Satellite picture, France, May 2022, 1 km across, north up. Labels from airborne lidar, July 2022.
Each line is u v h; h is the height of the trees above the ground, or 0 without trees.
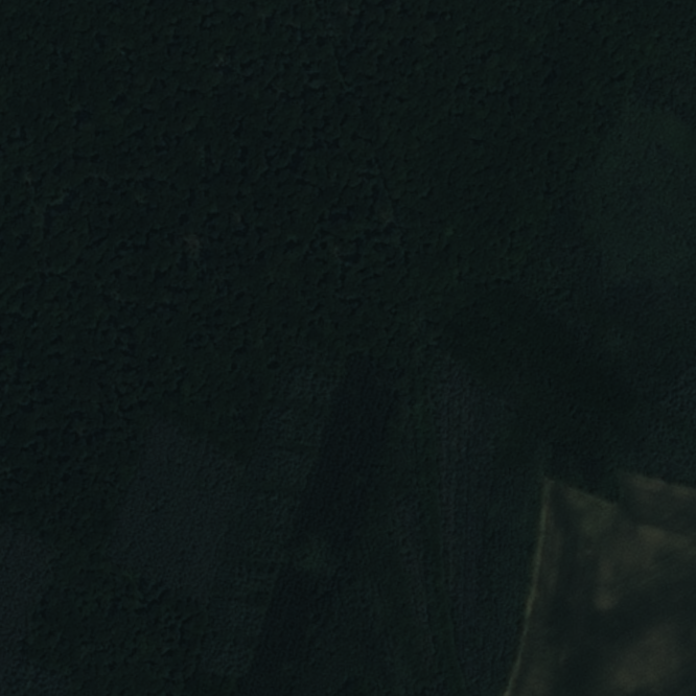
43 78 24
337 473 25
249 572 28
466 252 23
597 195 22
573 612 0
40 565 17
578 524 0
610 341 20
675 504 0
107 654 18
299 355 20
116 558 27
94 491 21
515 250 25
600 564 0
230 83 28
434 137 23
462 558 14
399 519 21
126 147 25
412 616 17
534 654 0
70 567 20
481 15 20
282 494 23
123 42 27
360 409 28
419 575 18
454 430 21
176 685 24
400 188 23
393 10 25
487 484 18
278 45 22
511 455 18
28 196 26
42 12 24
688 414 22
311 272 25
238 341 23
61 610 21
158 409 25
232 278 27
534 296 18
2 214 22
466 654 18
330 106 24
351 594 28
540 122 26
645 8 19
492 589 20
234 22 26
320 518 25
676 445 22
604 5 23
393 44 28
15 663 19
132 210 29
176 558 22
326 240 24
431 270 22
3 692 16
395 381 24
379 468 18
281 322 26
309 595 28
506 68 25
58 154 27
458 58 24
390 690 22
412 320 25
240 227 26
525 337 25
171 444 21
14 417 30
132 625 20
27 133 26
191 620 25
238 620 27
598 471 21
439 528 22
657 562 0
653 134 12
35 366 24
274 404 19
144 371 26
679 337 20
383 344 25
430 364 17
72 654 24
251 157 25
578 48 28
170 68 27
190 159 23
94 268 27
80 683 20
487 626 22
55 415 28
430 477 22
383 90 28
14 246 22
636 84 17
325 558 22
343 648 22
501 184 24
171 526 23
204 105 26
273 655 28
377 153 22
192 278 25
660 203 23
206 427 18
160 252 29
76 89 31
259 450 19
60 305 25
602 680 0
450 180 23
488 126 24
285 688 17
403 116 23
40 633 18
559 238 23
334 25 30
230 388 21
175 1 28
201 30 30
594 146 23
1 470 20
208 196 22
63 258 28
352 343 22
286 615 30
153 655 20
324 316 21
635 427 16
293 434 19
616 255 21
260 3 23
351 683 27
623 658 0
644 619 0
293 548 27
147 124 29
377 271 25
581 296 24
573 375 28
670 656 0
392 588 23
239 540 22
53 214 24
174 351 23
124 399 25
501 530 21
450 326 27
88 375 24
